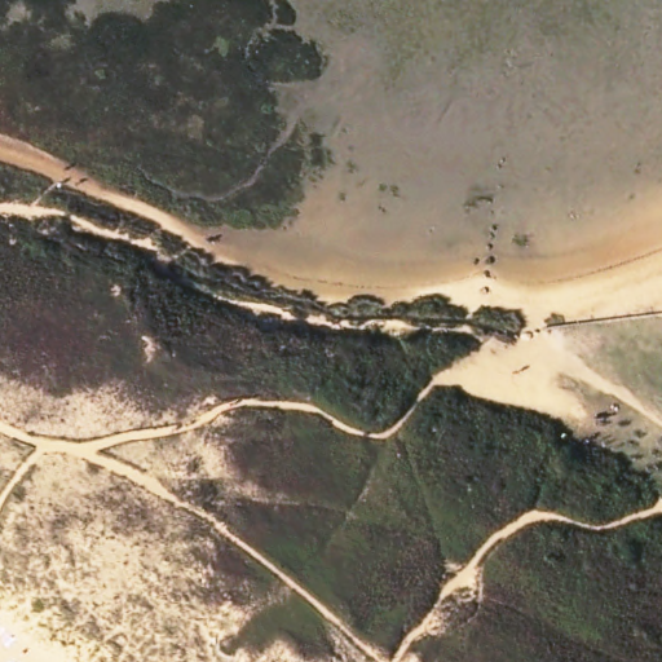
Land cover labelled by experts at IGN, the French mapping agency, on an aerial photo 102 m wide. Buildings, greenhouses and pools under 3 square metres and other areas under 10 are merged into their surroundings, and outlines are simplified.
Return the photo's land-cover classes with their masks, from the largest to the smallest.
<instances>
[{"label":"bare soil","instance_id":"1","mask_svg":"<svg viewBox=\"0 0 662 662\"><path fill-rule=\"evenodd\" d=\"M31 10L23 0H0V31H10L13 23L28 18ZM83 13L88 23H93L103 13H127L147 21L153 16L150 0H72L67 5V18ZM295 34L303 41H315L318 52L326 59V67L318 80L272 83L269 91L277 96V114L284 119L277 140L287 145L297 122H303L305 127H313L321 134L323 147L331 150V166H313L300 171L305 199L297 204V217H287L279 228H191L142 199L101 186L88 173L67 168L62 160H57L54 155L44 153L31 142L0 134V160L44 173L59 186H70L93 199L147 217L158 222L163 230L186 240L189 246L212 253L215 261L228 266H248L253 274L266 277L274 287L310 290L323 303H347L354 295H375L393 305L411 303L427 295H445L453 305H460L465 310H522V334L540 336L548 328H561L566 318H597L662 308V0H295ZM78 215L62 207H47V217H28V225L36 233L47 235L59 230L62 220L72 222ZM230 442L225 437L222 424H204L184 437L166 434L124 440L98 450L103 458H111L122 465L134 468L137 473L158 478V484L171 491L168 499H160L142 484H134L122 473L88 463L80 455L44 453V460L36 465L31 458L36 450L34 442H23L0 432V662H336L331 657L305 659L287 641H274L264 652H246L248 641L240 634L243 623L261 610L287 603L295 595L277 579L272 582L266 595H259L251 579L228 577L217 571L215 546L222 538L215 530L220 520L217 515L207 512L194 502L199 481L204 478H212L220 486L217 507H230L238 497H248L259 504H282L287 497L284 491H264L256 484H246L238 476V471L225 460Z\"/></svg>","mask_w":662,"mask_h":662},{"label":"herbaceous vegetation","instance_id":"2","mask_svg":"<svg viewBox=\"0 0 662 662\"><path fill-rule=\"evenodd\" d=\"M31 10L28 18L13 23L10 31H0V134L31 142L44 153L54 155L57 160H62L67 168L88 173L101 186L142 199L191 228H279L287 217H297V204L305 199L300 171L313 166H331V150L323 147L321 134L313 127H305L303 122H297L287 145L277 140L284 119L277 114V96L269 91L272 83L318 80L326 67V59L318 52L315 41H303L295 34V0H150L153 16L147 21L127 13H103L93 23H88L83 13L67 18V5L72 0H23ZM59 186L44 173L0 160V202L44 204ZM47 235L36 233L28 225V217L0 215V375L39 388L57 398L103 385L119 401H132L137 411L147 414H163L181 398H189L194 403L207 396H215L220 401H310L321 393V372L310 365L297 362L295 352L310 344L297 336L274 334L264 336L259 328L243 326L233 318L220 321L217 328H212L209 334H194V339L178 336L176 347L166 352L155 344L145 326L142 303H129V297L122 292V287L132 279V264H114V274L109 277L101 272L98 261H72V256L62 248H44L41 243ZM597 354L610 359L618 383L649 406L662 411V334L631 336L628 331H621L613 347H597ZM225 437L230 442L225 460L238 471V476L246 484H256L264 491H284L287 497L282 504H259L248 497H238L230 507H217L220 486L212 478H204L199 481L194 502L207 512L217 515L220 520L240 538H246L251 546H256L261 553H266L274 564H279L315 597H321L365 641L383 649L390 659L398 652L403 636L414 626H419L424 615L434 608L442 584L453 579L447 574V561L468 564L476 548L494 530L535 509V504L530 502V491L509 494L507 484H468L463 478V463L445 458V427L434 424L422 411L414 416L411 424L403 427L401 434L390 440L352 437L334 429L323 416L259 406L235 409L230 424H222ZM484 600L463 603L460 610L445 621L442 634L424 636L411 644V654H416L419 662H662V530L652 517L636 520L615 530H584L564 522H533L522 528L512 538L497 543L484 556ZM217 571L228 577L251 579L259 595H266L272 582L277 579L272 571H266L261 564H256L251 556H246L240 548L222 538L215 546ZM240 634L248 641L246 652H264L274 641H287L305 659L331 657L336 646L328 636V623L303 597L295 595L287 603L261 610L243 623Z\"/></svg>","mask_w":662,"mask_h":662},{"label":"brushwood","instance_id":"3","mask_svg":"<svg viewBox=\"0 0 662 662\"><path fill-rule=\"evenodd\" d=\"M47 207H62L78 215L106 228L129 230L142 238L158 240L168 251V261L163 264L150 251L129 246L124 240H111L85 230H75L72 222L62 220L59 230L47 235L41 243L44 248H62L72 256V261H98L101 272L109 277L114 274V264H132V279L122 287V292L129 297V303H142L145 326L155 344L166 352L176 347L178 336L194 339V334H209L212 328H217L220 321L233 318L243 326L259 328L264 336L274 334V326L282 318L220 303L215 300L220 290L238 297L290 308L295 323H308V315H326L328 321H406L411 323V331L393 336L388 347L365 344L359 349L352 339L310 344L295 352L297 362L310 365L321 372V393L310 401L331 409L354 427L380 432L396 424L409 411L419 390L432 380V375L447 370L471 352H478L489 336L515 344L522 334V310H465L460 305H453L445 295H427L411 303L393 305L375 295H354L347 303H323L310 290L274 287L266 277L253 274L248 266H228L215 261L212 253L189 246L186 240L163 230L158 222L147 217L93 199L70 186H59L44 204ZM422 411L434 424L445 427V458L463 463V478L468 484H507L509 494L530 491V502L535 504V509L564 512L595 522L623 517L628 512L659 502L657 481L646 471L634 468L628 455L623 453L600 447L590 434L577 437V432L569 424H564L556 416L478 398L458 385H440L429 398H424Z\"/></svg>","mask_w":662,"mask_h":662},{"label":"pervious surface","instance_id":"4","mask_svg":"<svg viewBox=\"0 0 662 662\"><path fill-rule=\"evenodd\" d=\"M0 215L28 217H47V207L44 204L0 202ZM75 230H85L111 240H124L129 246L150 251L163 264L168 261V251L158 240L142 238L129 230L106 228L78 215L72 222ZM215 300L220 303L282 318L274 326V334L297 336L310 344L352 339L359 349L365 344L388 347L393 336L411 331V323L406 321H328L326 315H308V323H295L290 308L238 297L220 290ZM621 331H628L631 336L662 334V308L597 318H566L561 328H548L540 336L522 334L515 344L489 336L478 352H471L447 370L432 375V380L419 390L409 411L396 424L380 432L354 427L331 409L310 401H220L215 396H207L194 403L189 398H181L163 414H147L137 411L132 401H119L103 385L57 398L39 388L0 375V432L23 442H34L36 450L31 458L36 465L44 460V453L80 455L88 463L122 473L134 484H142L160 499H168L171 491L158 484V478L137 473L134 468L122 465L111 458H103L98 450L124 440L166 434L184 437L204 424H230L235 409L259 406L323 416L334 429L352 437L390 440L401 434L403 427L411 424L414 416L422 411L424 398H429L440 385H458L478 398L556 416L564 424H569L577 432V437L590 434L600 447L623 453L628 455L634 468L646 471L657 481L659 502L628 512L623 517L595 522L564 512L535 509L494 530L476 548L468 564L447 561V574L453 579L442 584L434 608L424 615L419 626H414L403 636L398 652L390 659L383 649L365 641L321 597H315L279 564H274L266 553H261L256 546H251L246 538H240L220 520L215 530L222 538L240 548L246 556H251L256 564H261L266 571H272L277 579L295 595L303 597L328 623V636L336 646L331 657L336 662H419L416 654H411V644L424 636L442 634L445 621L460 610L463 603L484 600V556L497 543L512 538L522 528L533 522H564L584 530H615L636 520L652 517L662 530V411L649 406L618 383L610 359L597 354V347H613Z\"/></svg>","mask_w":662,"mask_h":662}]
</instances>
